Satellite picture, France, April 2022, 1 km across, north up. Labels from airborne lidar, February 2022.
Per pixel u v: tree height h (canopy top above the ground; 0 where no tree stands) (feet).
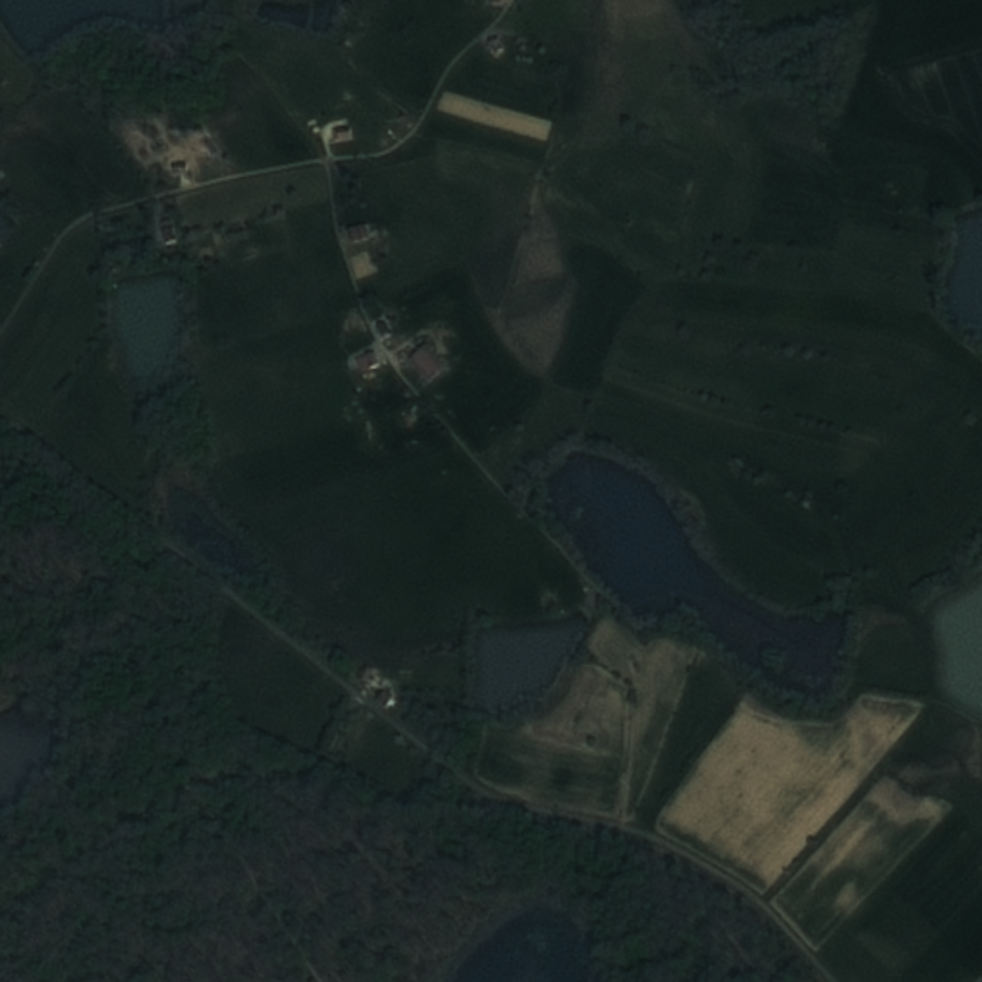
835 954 0
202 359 0
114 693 76
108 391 0
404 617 0
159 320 0
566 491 0
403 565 0
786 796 0
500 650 0
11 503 96
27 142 0
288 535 0
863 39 80
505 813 68
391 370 0
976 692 0
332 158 0
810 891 0
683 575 0
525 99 0
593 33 0
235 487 0
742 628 0
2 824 80
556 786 0
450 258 0
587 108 0
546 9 0
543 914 0
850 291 0
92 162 0
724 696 0
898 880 0
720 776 0
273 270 0
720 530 0
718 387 0
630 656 0
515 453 0
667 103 0
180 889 96
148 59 79
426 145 0
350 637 0
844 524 0
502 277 0
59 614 80
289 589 39
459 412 0
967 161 0
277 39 0
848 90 86
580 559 36
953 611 0
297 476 0
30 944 86
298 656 0
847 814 0
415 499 0
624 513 0
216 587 74
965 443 0
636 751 0
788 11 0
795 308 0
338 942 92
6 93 0
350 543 0
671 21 0
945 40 0
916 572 0
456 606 0
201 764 100
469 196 0
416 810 95
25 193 0
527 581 0
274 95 0
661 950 91
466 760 69
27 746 0
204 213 0
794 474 0
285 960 95
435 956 97
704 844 0
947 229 57
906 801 0
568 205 0
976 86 0
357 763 0
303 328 0
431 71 0
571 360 0
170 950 100
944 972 0
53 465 92
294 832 110
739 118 0
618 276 0
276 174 0
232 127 0
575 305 0
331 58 0
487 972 0
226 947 96
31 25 0
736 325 0
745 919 91
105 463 0
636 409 0
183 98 71
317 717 0
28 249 0
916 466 0
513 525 0
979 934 0
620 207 0
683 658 0
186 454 88
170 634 90
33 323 0
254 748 98
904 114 0
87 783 70
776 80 85
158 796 90
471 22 0
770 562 0
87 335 0
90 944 85
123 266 60
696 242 0
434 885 82
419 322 0
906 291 0
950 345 0
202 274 23
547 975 0
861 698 0
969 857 0
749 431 0
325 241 0
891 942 0
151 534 77
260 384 0
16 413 0
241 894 94
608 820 0
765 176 0
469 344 0
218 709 76
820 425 23
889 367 0
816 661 0
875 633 0
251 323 0
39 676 88
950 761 0
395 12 0
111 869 96
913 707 0
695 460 0
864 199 0
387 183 0
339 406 0
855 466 0
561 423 0
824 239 0
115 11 0
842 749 0
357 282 0
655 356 0
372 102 0
